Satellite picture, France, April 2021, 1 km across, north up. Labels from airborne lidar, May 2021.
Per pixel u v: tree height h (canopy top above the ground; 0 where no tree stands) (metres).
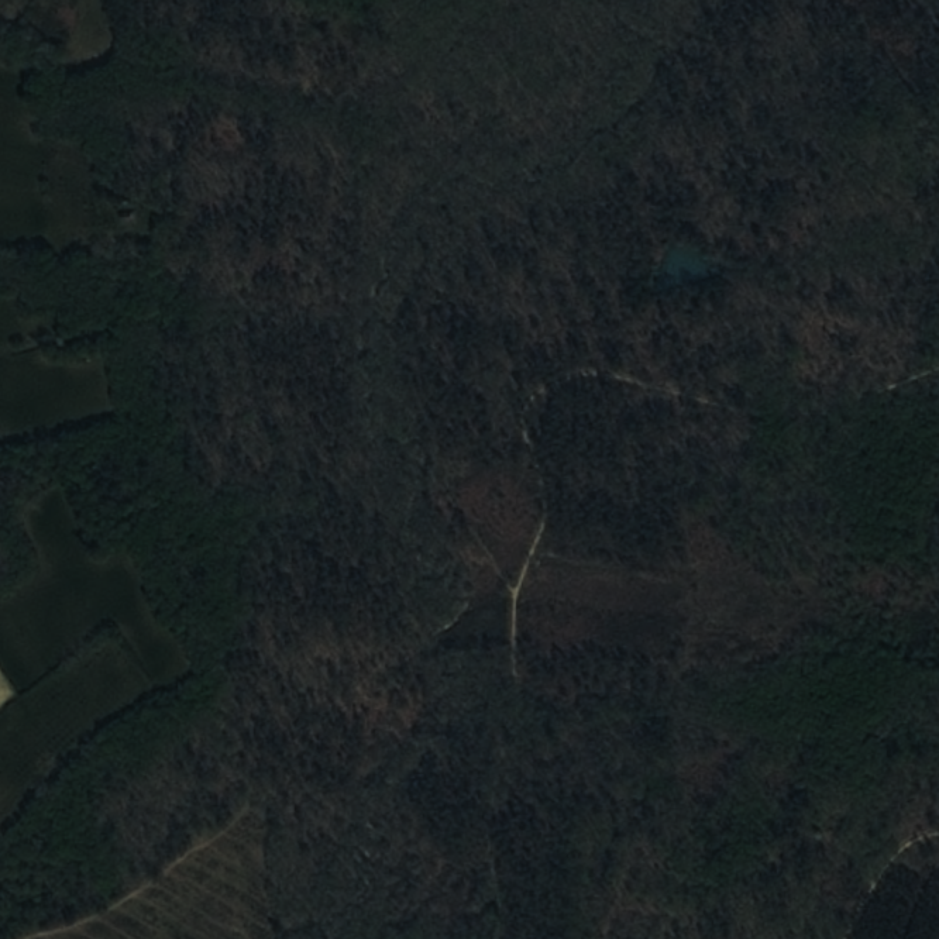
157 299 28
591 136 17
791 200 22
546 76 16
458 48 21
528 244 17
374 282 18
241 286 15
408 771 20
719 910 9
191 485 20
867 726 9
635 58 22
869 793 16
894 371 14
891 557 20
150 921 0
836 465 12
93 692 0
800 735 18
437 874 10
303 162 13
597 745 16
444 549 17
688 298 14
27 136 0
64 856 23
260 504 21
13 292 15
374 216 15
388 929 18
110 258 20
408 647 17
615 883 20
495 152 21
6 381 0
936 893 14
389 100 20
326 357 26
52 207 0
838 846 8
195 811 20
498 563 0
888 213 11
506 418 12
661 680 13
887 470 18
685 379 21
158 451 18
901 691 14
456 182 20
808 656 17
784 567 18
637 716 19
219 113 20
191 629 11
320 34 19
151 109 16
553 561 0
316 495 25
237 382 20
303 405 23
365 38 15
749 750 11
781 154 14
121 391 12
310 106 20
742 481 18
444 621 21
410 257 18
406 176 16
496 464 9
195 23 17
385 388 26
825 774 16
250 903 0
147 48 21
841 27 23
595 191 18
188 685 16
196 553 17
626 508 16
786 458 14
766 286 24
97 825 20
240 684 9
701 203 24
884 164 13
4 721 0
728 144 12
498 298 10
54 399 0
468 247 13
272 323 16
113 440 19
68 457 24
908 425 16
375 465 20
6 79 0
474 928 21
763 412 13
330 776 10
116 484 20
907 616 12
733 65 12
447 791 25
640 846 14
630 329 12
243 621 17
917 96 16
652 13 22
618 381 13
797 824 24
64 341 20
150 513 17
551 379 10
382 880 13
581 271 17
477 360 24
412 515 17
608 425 15
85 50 0
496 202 12
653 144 15
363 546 29
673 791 12
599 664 17
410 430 17
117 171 13
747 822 15
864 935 16
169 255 15
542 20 15
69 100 19
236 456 17
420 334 18
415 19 19
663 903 11
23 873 17
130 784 12
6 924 20
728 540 11
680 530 23
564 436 25
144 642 0
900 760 23
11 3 0
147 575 16
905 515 14
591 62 18
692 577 8
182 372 16
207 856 0
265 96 20
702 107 13
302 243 22
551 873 21
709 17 21
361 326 18
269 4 6
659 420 21
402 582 21
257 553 16
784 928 21
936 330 16
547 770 16
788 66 14
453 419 22
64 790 22
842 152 14
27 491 21
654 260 9
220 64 16
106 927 0
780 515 17
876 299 17
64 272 20
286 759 17
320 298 9
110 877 20
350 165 14
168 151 19
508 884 15
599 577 0
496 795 15
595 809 15
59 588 0
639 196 24
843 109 16
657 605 0
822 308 17
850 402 13
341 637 13
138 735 17
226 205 8
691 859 19
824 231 16
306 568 22
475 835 24
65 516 0
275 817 18
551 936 15
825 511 15
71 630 0
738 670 17
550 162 16
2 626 0
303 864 18
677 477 13
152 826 14
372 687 15
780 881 27
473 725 19
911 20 26
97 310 21
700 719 19
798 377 14
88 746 15
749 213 19
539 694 12
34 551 17
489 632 6
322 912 21
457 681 19
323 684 20
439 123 13
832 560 13
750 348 18
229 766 17
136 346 22
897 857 17
